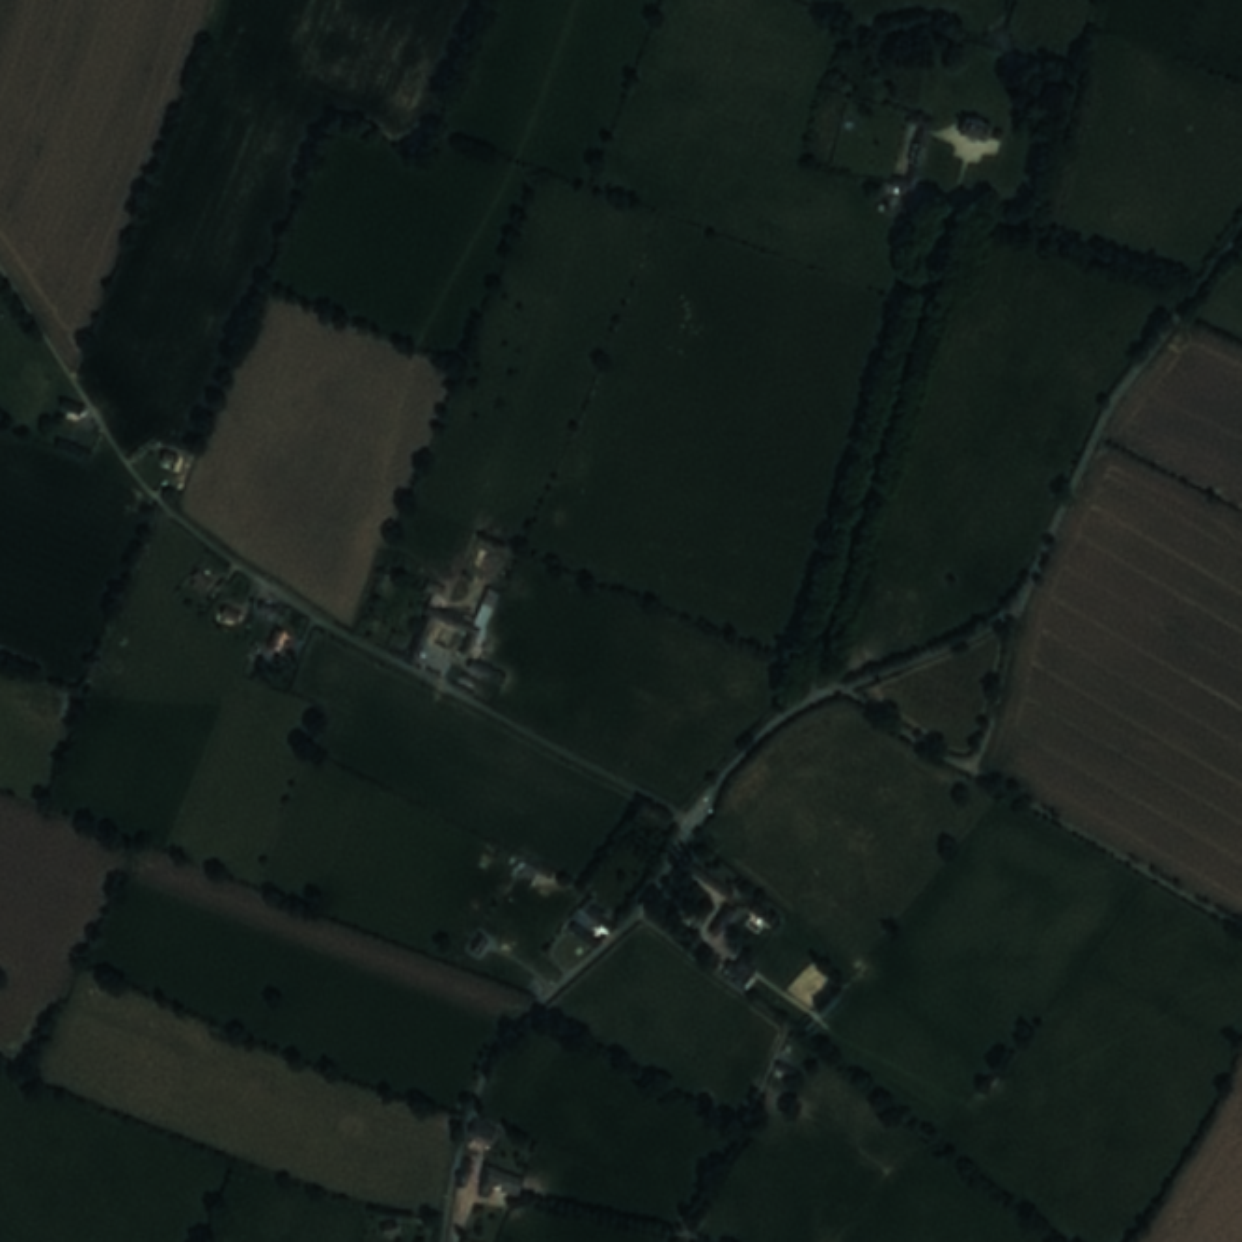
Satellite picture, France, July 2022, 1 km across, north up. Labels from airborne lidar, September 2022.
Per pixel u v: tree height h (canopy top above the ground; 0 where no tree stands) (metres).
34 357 0
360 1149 0
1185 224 0
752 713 0
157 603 0
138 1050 0
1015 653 0
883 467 23
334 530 0
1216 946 0
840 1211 0
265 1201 0
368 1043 0
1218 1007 0
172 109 12
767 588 0
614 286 0
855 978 0
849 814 0
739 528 0
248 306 16
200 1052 0
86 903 0
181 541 0
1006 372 0
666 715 0
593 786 0
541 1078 0
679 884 12
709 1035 0
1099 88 0
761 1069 0
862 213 0
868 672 9
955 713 0
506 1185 0
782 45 0
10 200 0
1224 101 0
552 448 0
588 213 0
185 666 0
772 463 0
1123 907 0
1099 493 0
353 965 0
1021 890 0
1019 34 0
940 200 28
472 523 0
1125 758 0
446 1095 0
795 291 0
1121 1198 0
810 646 22
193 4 0
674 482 0
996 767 0
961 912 0
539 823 0
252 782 0
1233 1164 0
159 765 0
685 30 0
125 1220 0
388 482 0
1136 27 0
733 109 0
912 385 26
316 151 20
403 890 0
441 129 22
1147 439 0
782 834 0
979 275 19
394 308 0
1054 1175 0
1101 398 9
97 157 0
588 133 0
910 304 26
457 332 0
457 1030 0
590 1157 0
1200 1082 0
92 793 0
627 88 9
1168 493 0
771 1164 0
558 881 8
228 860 0
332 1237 0
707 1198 9
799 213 0
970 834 0
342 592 0
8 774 0
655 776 0
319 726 18
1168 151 0
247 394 0
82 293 0
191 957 0
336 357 0
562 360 0
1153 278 24
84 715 14
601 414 0
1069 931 0
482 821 0
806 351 0
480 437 0
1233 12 0
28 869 0
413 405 0
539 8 0
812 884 0
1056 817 7
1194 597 0
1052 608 0
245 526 0
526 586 0
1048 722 0
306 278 0
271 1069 0
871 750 0
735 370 0
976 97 0
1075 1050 0
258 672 11
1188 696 0
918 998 0
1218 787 0
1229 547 0
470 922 0
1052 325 0
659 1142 0
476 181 0
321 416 0
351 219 0
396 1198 0
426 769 0
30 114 0
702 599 0
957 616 0
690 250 0
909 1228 0
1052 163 31
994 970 0
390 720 0
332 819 0
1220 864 0
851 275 0
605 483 0
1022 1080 0
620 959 0
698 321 0
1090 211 0
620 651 0
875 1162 0
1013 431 0
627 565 0
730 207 0
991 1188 8
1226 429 0
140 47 0
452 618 0
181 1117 0
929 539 0
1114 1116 0
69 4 0
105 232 0
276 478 0
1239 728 0
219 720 0
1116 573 0
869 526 25
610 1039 0
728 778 6
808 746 0
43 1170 0
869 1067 0
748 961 9
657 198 0
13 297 14
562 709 0
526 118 0
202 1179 0
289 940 0
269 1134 0
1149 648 0
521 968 0
